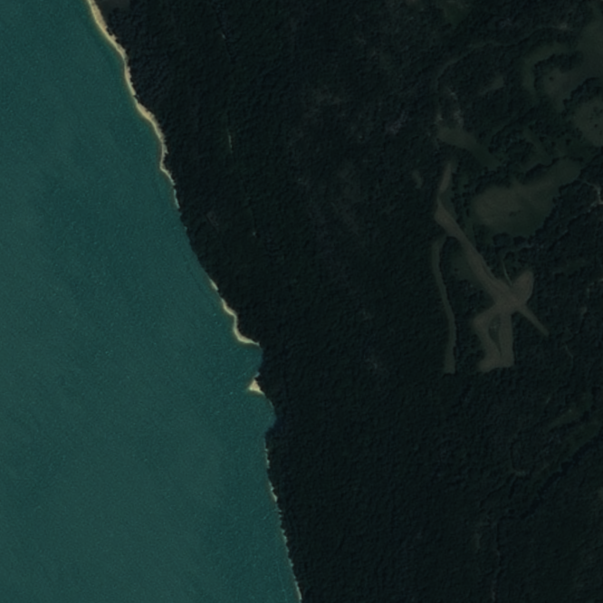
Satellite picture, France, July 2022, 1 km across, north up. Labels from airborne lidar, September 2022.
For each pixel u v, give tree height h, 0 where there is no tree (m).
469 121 13
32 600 0
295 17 7
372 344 6
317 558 11
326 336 18
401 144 9
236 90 11
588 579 9
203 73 15
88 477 0
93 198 0
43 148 0
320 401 13
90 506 0
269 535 0
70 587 0
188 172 17
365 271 10
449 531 15
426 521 12
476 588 9
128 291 0
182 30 11
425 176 7
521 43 11
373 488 20
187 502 0
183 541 0
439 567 14
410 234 10
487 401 10
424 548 17
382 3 6
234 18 16
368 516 17
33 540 0
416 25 7
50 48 0
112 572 0
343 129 10
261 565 0
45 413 0
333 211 7
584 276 13
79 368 0
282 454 9
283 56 10
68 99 0
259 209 17
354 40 6
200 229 17
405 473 13
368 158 12
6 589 0
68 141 0
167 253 0
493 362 0
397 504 7
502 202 0
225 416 0
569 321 8
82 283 0
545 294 11
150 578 0
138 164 0
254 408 0
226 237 8
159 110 15
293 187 14
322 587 12
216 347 0
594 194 6
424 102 19
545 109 7
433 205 16
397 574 8
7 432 0
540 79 10
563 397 8
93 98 0
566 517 15
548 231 19
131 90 0
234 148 9
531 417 14
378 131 8
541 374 8
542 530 9
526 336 11
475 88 9
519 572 11
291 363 15
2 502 0
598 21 0
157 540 0
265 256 13
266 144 14
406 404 9
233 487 0
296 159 10
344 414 20
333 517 16
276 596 0
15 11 0
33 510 0
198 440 0
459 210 11
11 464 0
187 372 0
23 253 0
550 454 9
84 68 0
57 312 0
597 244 8
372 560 15
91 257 0
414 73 10
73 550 0
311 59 13
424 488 13
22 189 0
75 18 0
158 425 0
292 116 7
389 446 9
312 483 15
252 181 17
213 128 13
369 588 13
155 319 0
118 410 0
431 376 13
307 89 6
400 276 8
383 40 18
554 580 13
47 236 0
